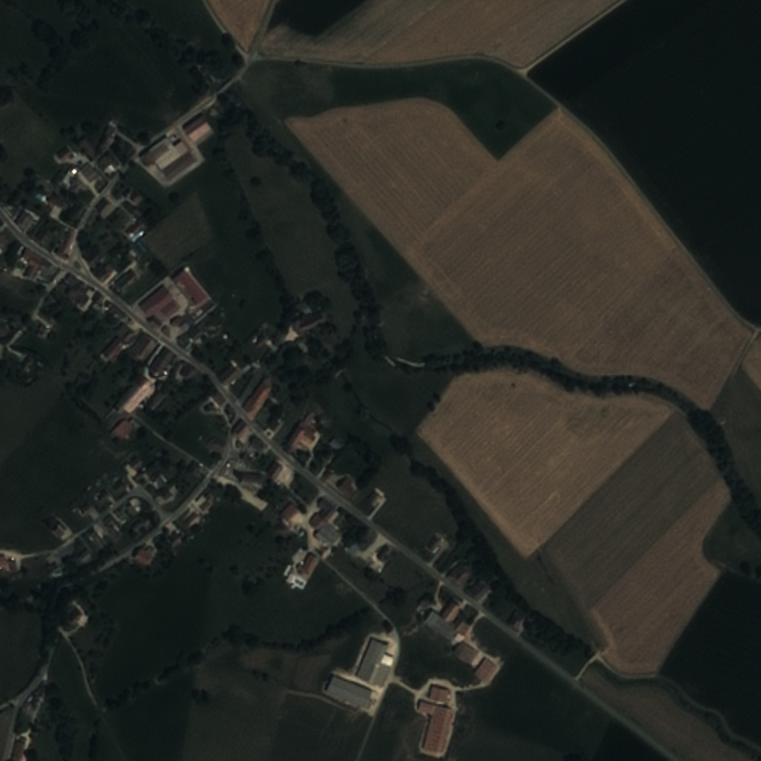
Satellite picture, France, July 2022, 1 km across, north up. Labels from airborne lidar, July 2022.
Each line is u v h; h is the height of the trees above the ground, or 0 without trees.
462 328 0
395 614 0
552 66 0
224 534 0
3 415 0
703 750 0
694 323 0
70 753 7
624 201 0
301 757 0
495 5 0
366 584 0
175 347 0
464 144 0
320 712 0
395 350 0
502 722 0
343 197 0
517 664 0
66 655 0
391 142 0
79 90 0
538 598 0
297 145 0
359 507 0
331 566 0
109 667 0
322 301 14
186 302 0
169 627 0
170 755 0
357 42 0
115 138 8
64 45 22
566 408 0
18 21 0
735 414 0
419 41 0
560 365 10
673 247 0
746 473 0
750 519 11
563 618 0
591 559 0
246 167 0
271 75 0
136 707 0
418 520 0
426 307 0
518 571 0
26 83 5
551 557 0
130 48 0
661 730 0
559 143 0
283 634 0
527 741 0
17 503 0
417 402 0
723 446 15
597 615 0
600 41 0
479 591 0
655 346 0
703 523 0
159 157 0
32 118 0
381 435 0
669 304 0
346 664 0
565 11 0
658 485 0
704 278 0
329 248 0
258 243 15
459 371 13
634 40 0
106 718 0
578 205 0
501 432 0
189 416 0
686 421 0
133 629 0
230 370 0
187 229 0
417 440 0
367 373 0
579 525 0
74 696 0
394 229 0
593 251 0
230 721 0
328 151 0
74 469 0
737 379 0
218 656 0
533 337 0
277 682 0
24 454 0
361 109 0
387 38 0
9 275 0
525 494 0
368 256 0
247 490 0
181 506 0
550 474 0
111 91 0
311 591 0
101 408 0
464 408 0
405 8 0
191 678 0
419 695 0
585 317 0
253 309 0
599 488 0
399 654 0
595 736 0
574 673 0
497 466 0
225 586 0
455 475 0
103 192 0
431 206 0
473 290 0
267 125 0
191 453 0
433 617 0
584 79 0
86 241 8
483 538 16
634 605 0
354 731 0
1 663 0
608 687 0
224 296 0
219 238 0
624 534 0
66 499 0
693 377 0
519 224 0
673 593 0
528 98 0
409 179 0
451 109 0
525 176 0
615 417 0
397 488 0
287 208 0
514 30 0
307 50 0
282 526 0
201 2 0
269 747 0
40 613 12
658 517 0
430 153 0
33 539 0
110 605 0
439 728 0
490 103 0
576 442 0
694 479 0
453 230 0
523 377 0
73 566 11
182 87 0
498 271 0
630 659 0
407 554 0
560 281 0
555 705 0
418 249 0
